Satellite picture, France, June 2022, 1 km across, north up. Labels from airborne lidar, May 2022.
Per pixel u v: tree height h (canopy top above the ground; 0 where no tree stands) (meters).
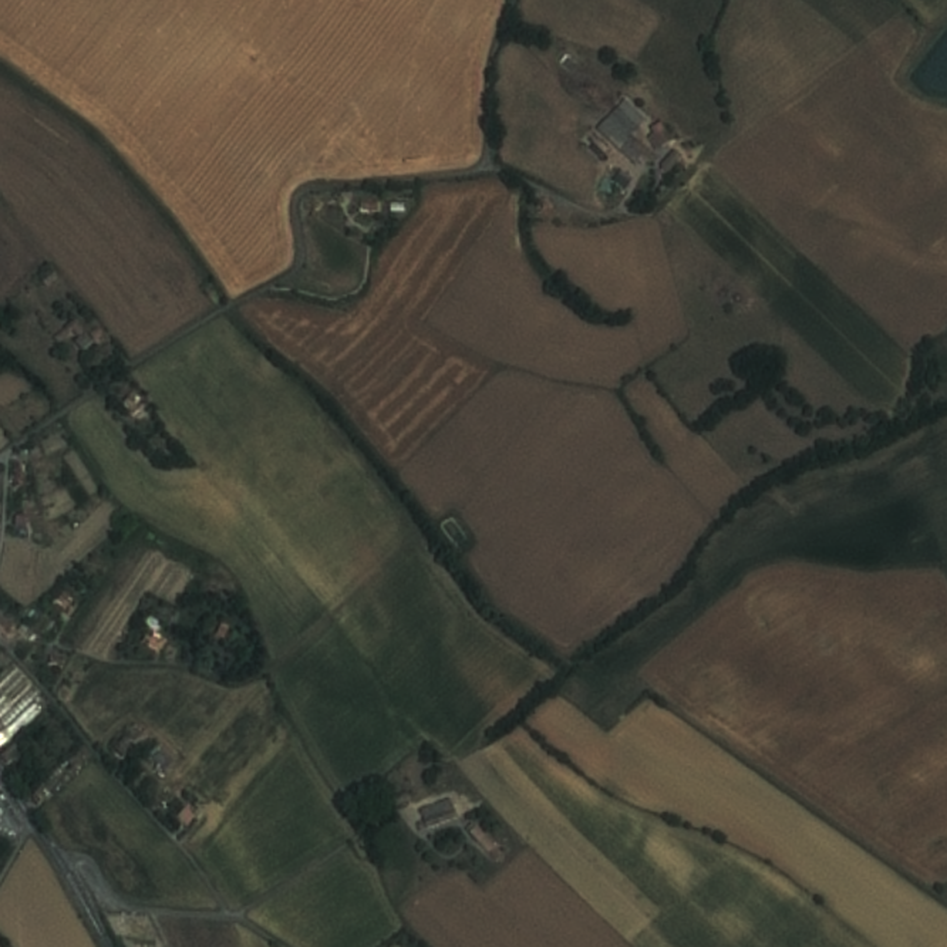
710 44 15
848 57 0
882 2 0
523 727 6
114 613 0
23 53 0
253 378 0
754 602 0
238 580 0
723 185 0
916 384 11
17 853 0
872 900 0
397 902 0
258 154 0
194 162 0
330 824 0
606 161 0
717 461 0
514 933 0
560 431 0
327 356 0
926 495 0
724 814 0
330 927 0
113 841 0
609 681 0
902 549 0
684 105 0
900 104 0
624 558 0
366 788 23
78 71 0
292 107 0
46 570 0
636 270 0
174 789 0
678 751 0
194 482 0
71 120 0
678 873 0
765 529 0
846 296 0
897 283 0
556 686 13
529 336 0
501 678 0
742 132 0
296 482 0
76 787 0
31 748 7
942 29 0
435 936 0
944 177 0
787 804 0
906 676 0
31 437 6
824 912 0
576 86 0
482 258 0
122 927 0
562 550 0
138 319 0
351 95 0
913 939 0
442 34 0
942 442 0
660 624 0
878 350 0
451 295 0
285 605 0
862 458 10
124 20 0
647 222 0
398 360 0
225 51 0
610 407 0
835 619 0
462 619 0
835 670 0
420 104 0
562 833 0
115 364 12
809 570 0
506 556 0
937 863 0
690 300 0
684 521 0
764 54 0
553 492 0
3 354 9
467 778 0
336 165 0
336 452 0
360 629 0
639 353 0
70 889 0
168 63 0
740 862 0
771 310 0
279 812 0
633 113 0
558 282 16
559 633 0
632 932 0
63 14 0
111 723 0
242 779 0
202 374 0
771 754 0
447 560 20
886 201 0
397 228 6
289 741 0
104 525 0
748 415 0
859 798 0
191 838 0
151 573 0
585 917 0
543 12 0
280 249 0
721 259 0
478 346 0
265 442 0
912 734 0
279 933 0
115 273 0
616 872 0
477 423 0
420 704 0
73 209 0
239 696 0
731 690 0
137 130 0
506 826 0
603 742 0
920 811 0
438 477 0
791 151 0
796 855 0
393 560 0
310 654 0
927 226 0
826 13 0
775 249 0
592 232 0
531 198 9
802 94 0
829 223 0
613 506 0
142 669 0
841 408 0
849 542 0
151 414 7
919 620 0
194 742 0
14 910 0
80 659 0
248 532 0
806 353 0
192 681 0
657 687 0
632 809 0
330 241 0
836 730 0
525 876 0
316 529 0
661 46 0
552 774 0
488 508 0
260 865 0
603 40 0
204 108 0
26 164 0
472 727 0
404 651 0
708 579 0
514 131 0
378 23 0
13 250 0
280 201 0
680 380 0
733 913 0
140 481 0
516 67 0
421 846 11
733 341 0
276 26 0
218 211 0
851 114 0
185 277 0
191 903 0
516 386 0
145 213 0
